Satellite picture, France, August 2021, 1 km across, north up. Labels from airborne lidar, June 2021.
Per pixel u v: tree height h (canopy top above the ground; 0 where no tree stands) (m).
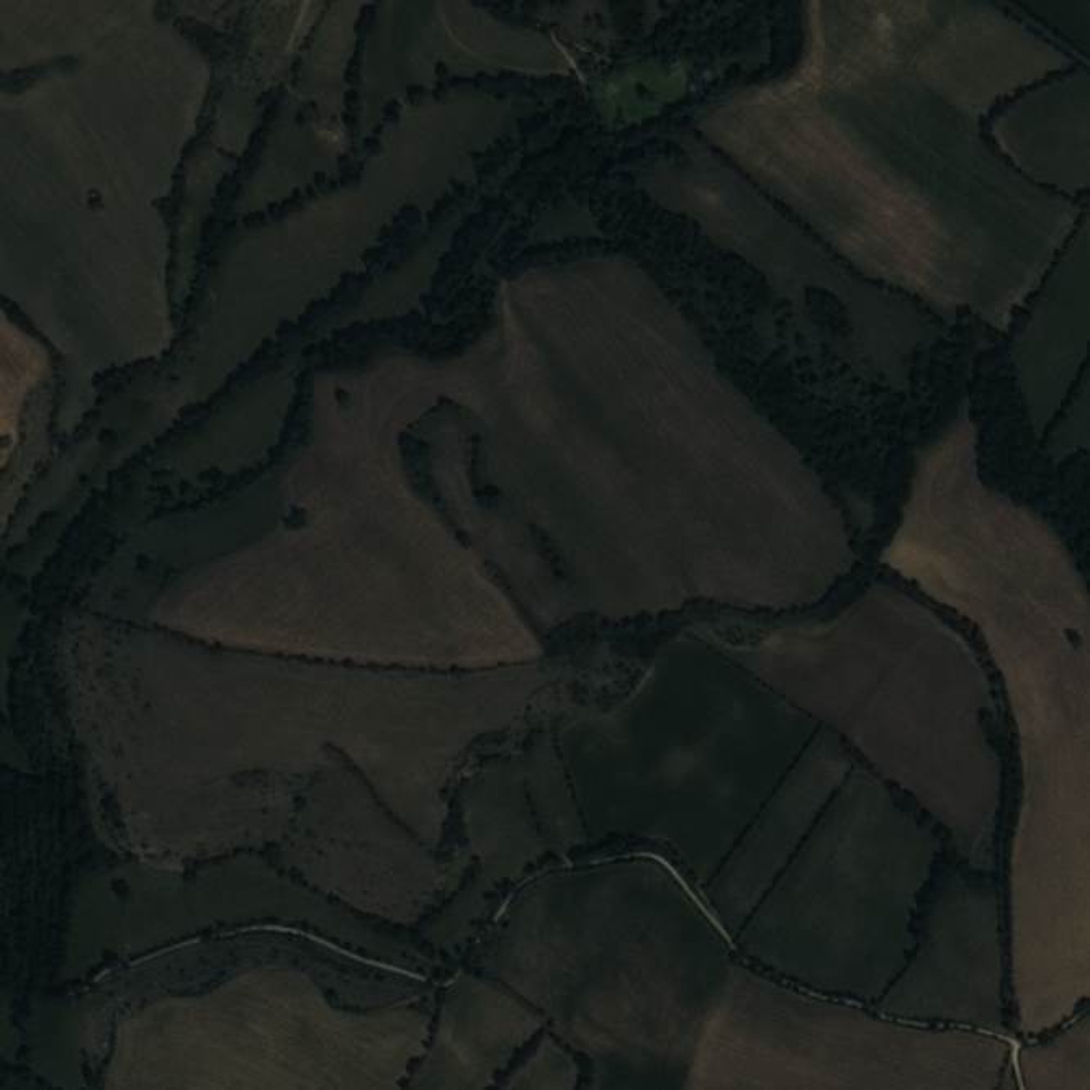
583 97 14
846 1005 6
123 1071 0
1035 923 0
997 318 0
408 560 0
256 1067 0
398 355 0
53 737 8
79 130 0
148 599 0
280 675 0
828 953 0
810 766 0
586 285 0
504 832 0
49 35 0
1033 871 0
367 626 0
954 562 0
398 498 0
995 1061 0
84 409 0
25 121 0
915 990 0
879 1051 0
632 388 0
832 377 9
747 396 8
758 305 9
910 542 0
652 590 0
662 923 0
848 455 7
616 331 0
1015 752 12
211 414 13
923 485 0
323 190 18
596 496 0
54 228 0
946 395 17
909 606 0
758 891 0
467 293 7
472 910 0
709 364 0
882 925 0
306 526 8
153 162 0
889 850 0
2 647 0
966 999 0
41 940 16
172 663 0
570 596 0
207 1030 0
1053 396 0
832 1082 0
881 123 0
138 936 0
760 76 10
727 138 0
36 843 16
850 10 0
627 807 0
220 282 0
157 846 0
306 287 0
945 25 0
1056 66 0
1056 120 0
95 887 0
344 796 0
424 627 0
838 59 0
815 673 0
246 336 0
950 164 0
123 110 0
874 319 0
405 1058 0
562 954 0
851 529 9
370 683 0
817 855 0
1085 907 0
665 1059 0
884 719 0
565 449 0
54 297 0
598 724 0
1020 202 0
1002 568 0
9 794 17
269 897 0
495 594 0
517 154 26
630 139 14
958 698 0
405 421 0
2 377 0
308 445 15
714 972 0
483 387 0
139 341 0
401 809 0
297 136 0
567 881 0
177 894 0
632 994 0
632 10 10
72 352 0
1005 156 9
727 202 0
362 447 0
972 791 0
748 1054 0
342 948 9
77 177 0
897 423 13
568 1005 0
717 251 13
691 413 0
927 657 0
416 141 0
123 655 0
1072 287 0
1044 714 0
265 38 0
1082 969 0
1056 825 0
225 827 0
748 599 0
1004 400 11
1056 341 0
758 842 0
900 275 0
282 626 0
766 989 0
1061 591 0
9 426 0
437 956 16
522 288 0
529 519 0
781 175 0
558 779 0
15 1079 30
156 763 0
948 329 12
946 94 0
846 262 9
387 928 13
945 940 0
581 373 0
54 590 16
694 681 0
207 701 0
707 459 0
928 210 0
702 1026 0
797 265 0
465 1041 0
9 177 0
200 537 0
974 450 0
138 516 0
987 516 0
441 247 0
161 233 0
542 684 0
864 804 0
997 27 0
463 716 0
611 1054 0
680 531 0
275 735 0
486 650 0
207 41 7
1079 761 0
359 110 16
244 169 13
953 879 13
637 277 0
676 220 9
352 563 0
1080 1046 0
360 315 0
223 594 0
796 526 0
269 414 0
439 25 0
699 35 9
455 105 0
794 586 0
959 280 0
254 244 0
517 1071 9
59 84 0
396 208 0
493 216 18
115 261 0
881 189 0
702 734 0
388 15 0
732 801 0
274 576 0
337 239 0
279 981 0
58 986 15
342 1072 0
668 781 0
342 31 0
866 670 0
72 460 0
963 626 9
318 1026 0
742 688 0
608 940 0
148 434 0
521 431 0
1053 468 16
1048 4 0
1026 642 0
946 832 14
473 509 0
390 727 0
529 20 9
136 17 0
